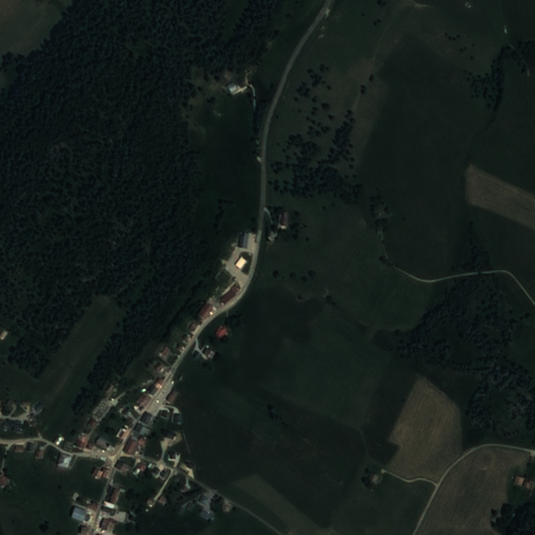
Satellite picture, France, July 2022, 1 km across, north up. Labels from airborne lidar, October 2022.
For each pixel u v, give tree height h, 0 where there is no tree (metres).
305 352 0
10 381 0
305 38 0
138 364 0
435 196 0
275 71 0
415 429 0
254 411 0
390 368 0
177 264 8
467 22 0
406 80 0
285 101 0
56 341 20
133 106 19
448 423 0
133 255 10
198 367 0
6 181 26
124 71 20
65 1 0
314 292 0
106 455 0
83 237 15
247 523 0
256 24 22
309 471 0
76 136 18
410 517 0
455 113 0
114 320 0
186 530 0
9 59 17
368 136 0
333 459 0
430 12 0
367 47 0
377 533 0
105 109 21
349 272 0
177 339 0
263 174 0
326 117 0
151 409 0
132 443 0
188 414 0
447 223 0
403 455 0
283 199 0
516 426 0
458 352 0
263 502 0
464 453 0
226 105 0
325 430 0
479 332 20
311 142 7
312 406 0
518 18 0
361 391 0
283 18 0
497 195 0
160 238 13
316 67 0
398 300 0
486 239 0
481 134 0
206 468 0
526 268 0
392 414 0
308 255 0
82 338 0
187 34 23
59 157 9
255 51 15
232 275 0
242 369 0
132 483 0
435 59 0
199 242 11
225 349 0
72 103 22
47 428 0
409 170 0
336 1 0
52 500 0
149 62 18
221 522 0
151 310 9
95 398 10
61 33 25
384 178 0
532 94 0
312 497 0
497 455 0
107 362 10
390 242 0
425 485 0
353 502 0
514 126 0
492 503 0
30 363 10
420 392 0
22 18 0
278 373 0
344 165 0
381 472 0
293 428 0
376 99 0
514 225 0
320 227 0
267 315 0
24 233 9
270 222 0
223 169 0
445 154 0
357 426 0
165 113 19
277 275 13
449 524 0
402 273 0
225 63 21
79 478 0
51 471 0
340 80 0
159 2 10
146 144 21
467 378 0
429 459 0
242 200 0
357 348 0
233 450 0
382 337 0
